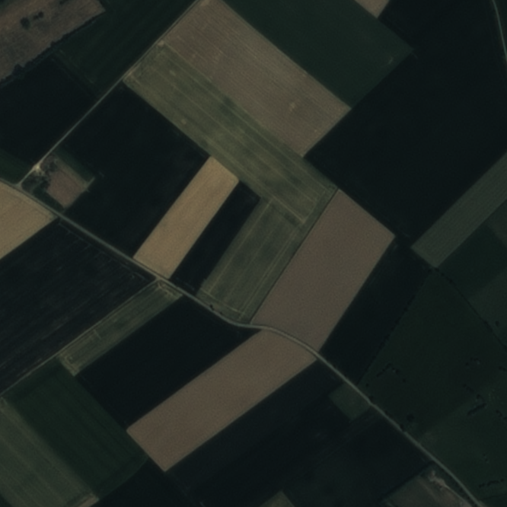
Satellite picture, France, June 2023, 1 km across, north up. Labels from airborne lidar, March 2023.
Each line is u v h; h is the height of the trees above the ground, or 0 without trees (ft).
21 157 0
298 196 0
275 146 0
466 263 0
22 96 0
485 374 0
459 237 0
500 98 0
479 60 0
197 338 0
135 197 0
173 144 0
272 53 0
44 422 0
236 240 0
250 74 0
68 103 0
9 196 0
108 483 0
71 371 0
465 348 0
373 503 0
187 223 0
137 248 0
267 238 0
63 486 0
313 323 0
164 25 0
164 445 0
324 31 0
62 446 0
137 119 0
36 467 0
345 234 0
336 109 0
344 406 0
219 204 0
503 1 0
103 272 0
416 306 0
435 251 0
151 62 0
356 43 0
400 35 0
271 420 0
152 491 0
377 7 0
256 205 0
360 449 0
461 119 0
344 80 0
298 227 0
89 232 0
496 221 0
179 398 0
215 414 0
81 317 0
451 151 0
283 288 0
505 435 0
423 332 0
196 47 0
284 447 0
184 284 0
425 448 0
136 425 0
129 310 0
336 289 0
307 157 0
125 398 0
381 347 21
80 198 0
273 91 0
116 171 0
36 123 0
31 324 0
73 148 0
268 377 0
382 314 0
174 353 0
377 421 0
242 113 0
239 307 0
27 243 0
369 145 0
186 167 0
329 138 0
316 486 0
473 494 0
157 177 0
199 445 0
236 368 0
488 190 0
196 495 0
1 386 0
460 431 0
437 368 0
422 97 0
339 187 0
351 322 0
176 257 0
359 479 0
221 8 0
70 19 0
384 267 0
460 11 0
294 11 0
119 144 0
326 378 0
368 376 0
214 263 0
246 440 0
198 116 0
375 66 0
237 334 0
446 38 0
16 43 0
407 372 0
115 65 0
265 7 0
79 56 0
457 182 0
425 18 0
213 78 0
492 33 0
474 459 0
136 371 0
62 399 0
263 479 0
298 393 0
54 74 0
